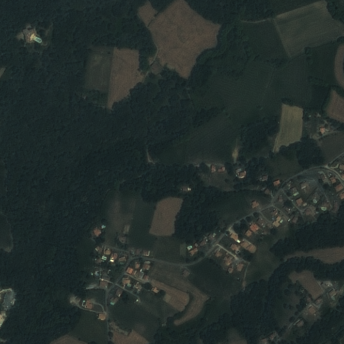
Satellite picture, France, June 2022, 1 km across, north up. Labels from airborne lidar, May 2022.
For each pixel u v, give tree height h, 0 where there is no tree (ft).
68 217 109
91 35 68
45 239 80
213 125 0
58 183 86
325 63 0
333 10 79
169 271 0
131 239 0
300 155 65
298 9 0
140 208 0
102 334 0
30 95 80
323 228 93
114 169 66
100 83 0
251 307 77
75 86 82
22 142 71
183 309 0
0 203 65
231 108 0
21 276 92
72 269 90
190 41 0
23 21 60
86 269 0
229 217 0
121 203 0
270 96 0
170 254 0
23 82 74
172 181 33
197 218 98
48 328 92
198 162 0
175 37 0
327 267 45
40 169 115
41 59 87
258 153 0
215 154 0
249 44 29
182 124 89
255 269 0
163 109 53
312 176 0
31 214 113
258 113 0
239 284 0
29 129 63
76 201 86
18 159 77
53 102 86
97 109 81
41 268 82
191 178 42
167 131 81
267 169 21
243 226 49
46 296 91
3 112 65
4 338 92
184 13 0
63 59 75
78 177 61
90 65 0
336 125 62
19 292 44
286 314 0
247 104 0
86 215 83
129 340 0
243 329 26
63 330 46
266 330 51
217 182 0
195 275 0
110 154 57
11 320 77
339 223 92
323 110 31
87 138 78
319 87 20
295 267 62
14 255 67
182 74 0
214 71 61
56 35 59
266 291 73
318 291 0
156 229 0
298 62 0
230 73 18
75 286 80
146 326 0
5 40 75
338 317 96
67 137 89
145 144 31
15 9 92
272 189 57
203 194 91
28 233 73
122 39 103
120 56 0
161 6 80
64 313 59
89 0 94
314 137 0
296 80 0
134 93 60
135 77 0
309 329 23
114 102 0
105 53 0
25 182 94
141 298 0
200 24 0
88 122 81
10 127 53
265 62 22
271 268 0
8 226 0
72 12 71
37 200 87
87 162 56
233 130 0
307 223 27
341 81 0
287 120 0
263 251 0
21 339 82
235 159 0
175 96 60
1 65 43
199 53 0
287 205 42
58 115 96
